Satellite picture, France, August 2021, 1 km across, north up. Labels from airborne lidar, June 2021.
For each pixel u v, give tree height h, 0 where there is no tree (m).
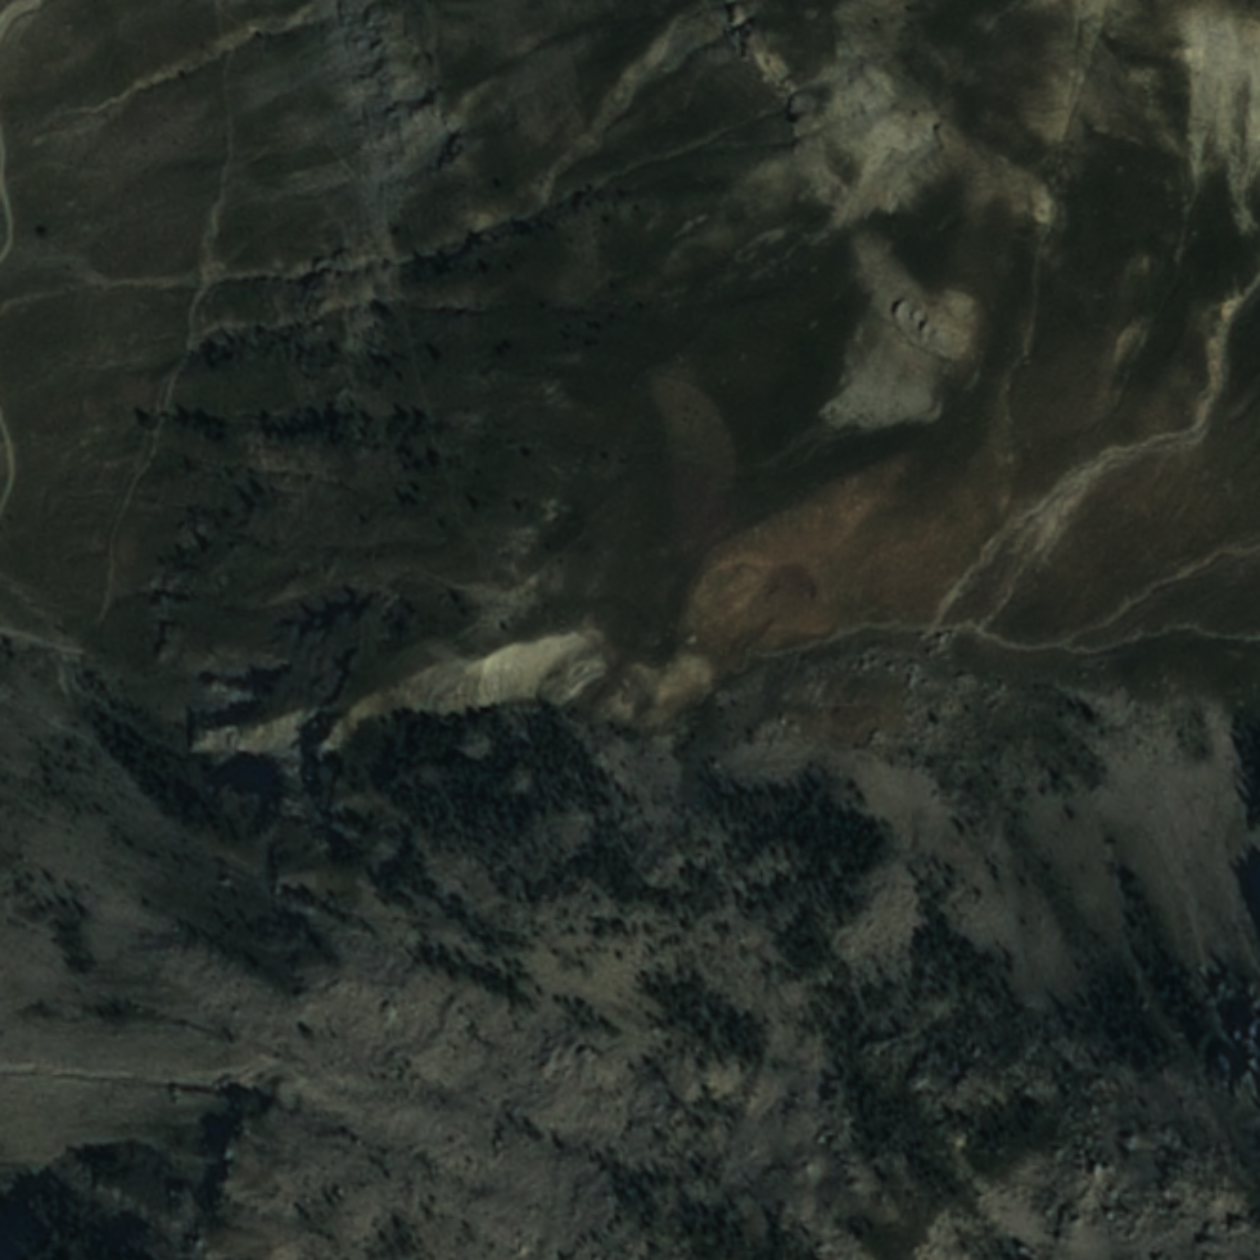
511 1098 0
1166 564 0
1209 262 0
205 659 0
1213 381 0
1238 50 0
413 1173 0
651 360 0
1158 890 0
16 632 0
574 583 0
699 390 0
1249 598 0
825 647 0
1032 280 0
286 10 0
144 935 0
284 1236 0
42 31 0
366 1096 0
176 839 0
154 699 0
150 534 0
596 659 0
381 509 0
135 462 0
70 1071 0
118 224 0
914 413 0
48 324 0
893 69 0
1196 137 0
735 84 0
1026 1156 0
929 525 0
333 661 0
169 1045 0
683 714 0
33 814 0
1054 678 0
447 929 0
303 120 0
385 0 0
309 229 0
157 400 0
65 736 0
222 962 0
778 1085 0
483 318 0
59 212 0
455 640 0
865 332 0
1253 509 0
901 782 0
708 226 0
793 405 0
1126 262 0
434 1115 0
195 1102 0
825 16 0
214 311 0
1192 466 0
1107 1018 9
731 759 0
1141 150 0
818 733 0
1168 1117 0
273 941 0
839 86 0
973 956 7
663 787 0
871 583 0
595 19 0
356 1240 0
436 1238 0
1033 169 0
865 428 0
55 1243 14
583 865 6
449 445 0
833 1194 0
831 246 0
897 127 0
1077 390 0
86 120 0
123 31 0
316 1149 0
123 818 0
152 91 0
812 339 0
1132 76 0
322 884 0
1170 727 0
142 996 0
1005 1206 0
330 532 0
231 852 0
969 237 0
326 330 0
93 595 0
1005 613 0
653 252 0
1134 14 0
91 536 0
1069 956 0
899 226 0
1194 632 0
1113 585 0
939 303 0
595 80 0
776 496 0
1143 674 0
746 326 0
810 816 7
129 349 0
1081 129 0
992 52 0
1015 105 0
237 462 0
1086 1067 0
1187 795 0
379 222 0
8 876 0
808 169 0
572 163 0
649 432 0
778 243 0
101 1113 0
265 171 0
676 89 0
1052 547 0
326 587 0
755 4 0
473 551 0
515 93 0
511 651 0
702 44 0
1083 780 0
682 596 0
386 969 0
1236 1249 0
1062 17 0
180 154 0
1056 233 0
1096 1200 0
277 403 0
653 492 0
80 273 0
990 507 0
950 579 0
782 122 0
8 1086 0
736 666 0
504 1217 0
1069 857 0
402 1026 0
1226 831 0
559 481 0
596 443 0
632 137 0
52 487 0
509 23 0
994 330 0
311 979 0
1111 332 0
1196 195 0
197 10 0
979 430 0
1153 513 0
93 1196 0
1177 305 0
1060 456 0
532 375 0
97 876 0
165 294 0
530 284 0
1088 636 0
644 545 0
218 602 0
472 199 0
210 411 0
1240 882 0
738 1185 0
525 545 0
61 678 0
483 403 0
